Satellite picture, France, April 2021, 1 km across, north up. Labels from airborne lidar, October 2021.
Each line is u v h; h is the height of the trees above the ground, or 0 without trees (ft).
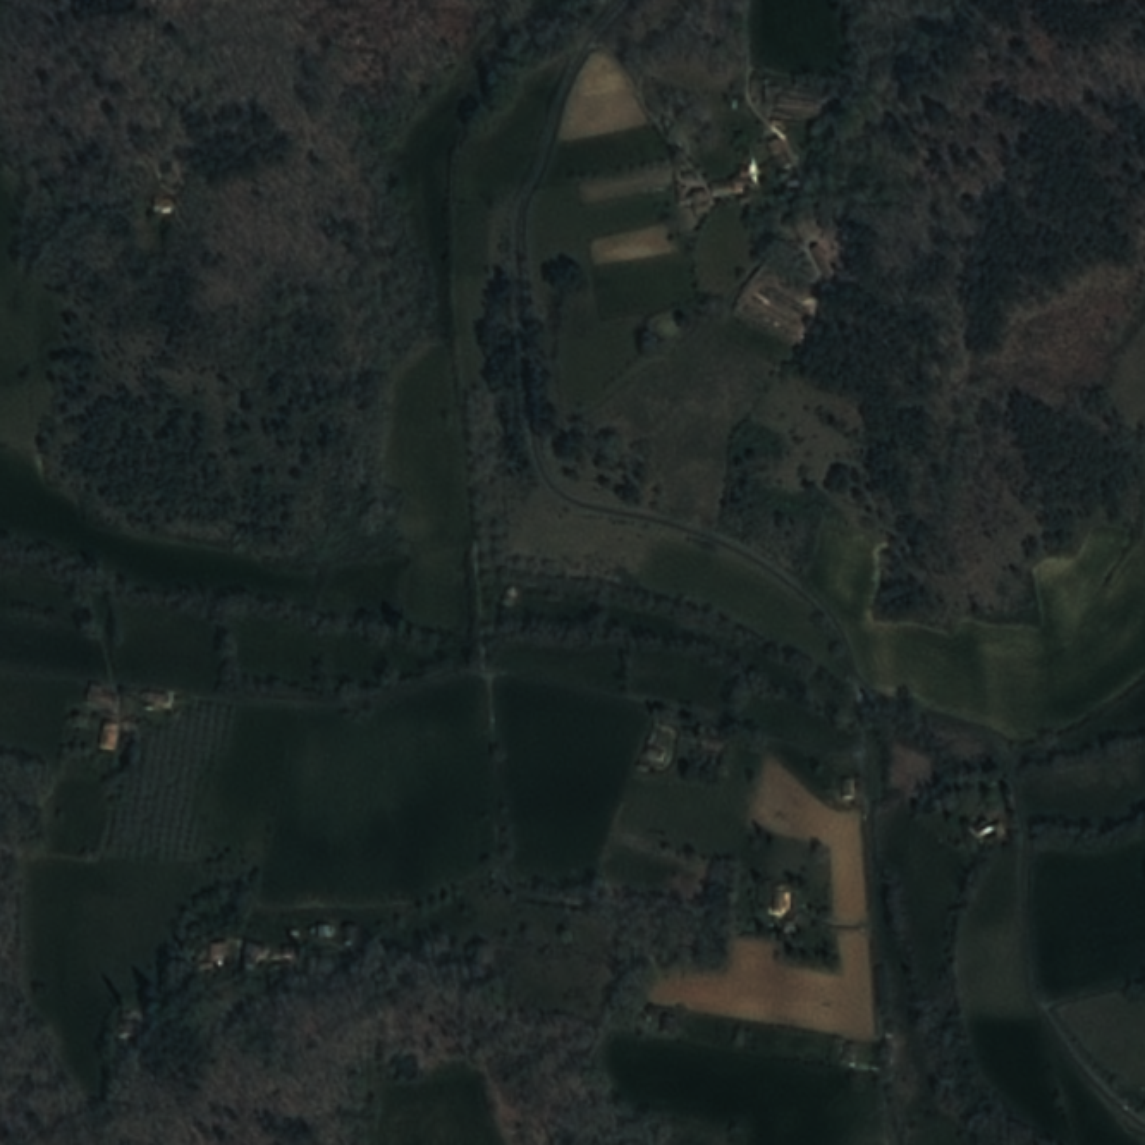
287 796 0
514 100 62
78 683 0
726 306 38
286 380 45
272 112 46
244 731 0
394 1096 0
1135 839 31
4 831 86
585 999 0
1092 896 0
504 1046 40
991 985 0
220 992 0
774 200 35
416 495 0
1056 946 0
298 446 49
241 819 0
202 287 41
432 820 0
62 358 32
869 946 0
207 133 73
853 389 75
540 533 0
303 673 0
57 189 57
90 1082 0
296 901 0
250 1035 69
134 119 51
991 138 98
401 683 24
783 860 0
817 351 73
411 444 0
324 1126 57
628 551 0
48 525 0
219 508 45
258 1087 61
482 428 39
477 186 0
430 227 0
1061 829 44
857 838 0
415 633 47
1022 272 62
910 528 70
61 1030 0
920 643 0
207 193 67
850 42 66
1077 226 93
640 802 0
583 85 0
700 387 0
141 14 34
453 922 0
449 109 0
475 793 0
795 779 0
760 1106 0
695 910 38
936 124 79
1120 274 106
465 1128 0
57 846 0
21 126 39
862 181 33
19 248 51
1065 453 85
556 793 0
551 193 0
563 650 51
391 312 65
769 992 0
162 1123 70
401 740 0
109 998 0
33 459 0
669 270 0
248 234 46
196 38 39
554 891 48
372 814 0
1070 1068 0
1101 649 0
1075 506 67
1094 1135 0
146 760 37
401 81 65
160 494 56
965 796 35
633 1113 58
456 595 0
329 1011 52
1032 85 33
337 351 62
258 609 62
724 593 0
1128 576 0
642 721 0
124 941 0
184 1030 79
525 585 38
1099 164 82
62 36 36
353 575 0
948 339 77
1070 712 0
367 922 0
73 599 60
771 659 43
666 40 40
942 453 41
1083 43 47
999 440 46
